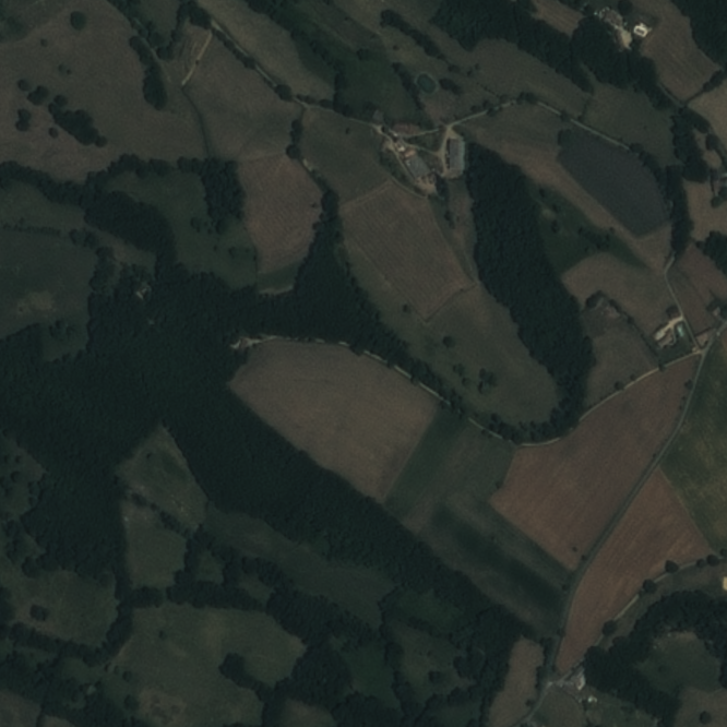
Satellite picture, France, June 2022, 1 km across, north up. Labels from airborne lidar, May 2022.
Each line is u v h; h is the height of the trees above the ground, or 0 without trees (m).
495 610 10
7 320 0
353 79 0
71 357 15
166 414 16
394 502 0
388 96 0
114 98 0
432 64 0
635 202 0
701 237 0
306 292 16
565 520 0
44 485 12
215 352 18
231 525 0
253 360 0
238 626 0
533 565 0
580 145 0
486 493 0
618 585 0
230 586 21
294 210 0
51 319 0
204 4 0
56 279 0
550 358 19
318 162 0
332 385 0
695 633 11
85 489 15
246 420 16
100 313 20
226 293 12
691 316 0
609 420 0
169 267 18
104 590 0
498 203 19
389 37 0
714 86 16
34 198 0
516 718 0
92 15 0
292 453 16
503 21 14
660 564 0
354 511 16
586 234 10
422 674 0
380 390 0
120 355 16
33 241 0
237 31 0
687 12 14
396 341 20
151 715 0
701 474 0
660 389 0
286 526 22
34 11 0
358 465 0
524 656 0
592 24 17
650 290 0
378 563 12
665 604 16
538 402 0
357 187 0
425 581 21
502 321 0
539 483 0
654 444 0
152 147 0
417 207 0
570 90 0
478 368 0
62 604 0
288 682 18
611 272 0
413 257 0
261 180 0
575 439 0
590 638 0
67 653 23
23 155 0
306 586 0
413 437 0
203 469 17
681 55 0
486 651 16
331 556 11
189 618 0
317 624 33
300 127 14
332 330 16
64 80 0
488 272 19
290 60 0
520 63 0
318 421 0
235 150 0
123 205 19
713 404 0
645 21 0
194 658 0
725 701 0
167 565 0
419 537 0
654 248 0
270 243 0
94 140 15
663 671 7
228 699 0
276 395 0
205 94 0
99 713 17
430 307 0
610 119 0
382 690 0
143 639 0
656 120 0
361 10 0
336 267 16
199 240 0
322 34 0
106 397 16
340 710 22
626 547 0
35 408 17
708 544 0
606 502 0
